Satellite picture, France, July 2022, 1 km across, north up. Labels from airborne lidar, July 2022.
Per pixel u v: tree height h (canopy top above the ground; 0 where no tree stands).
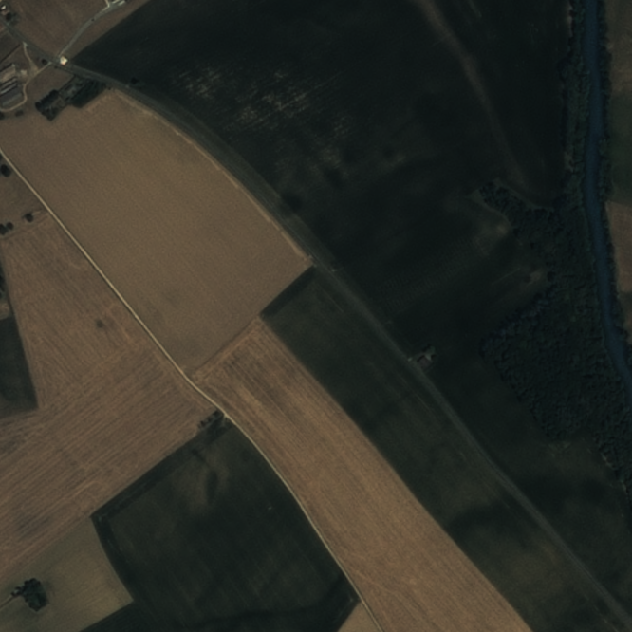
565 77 28
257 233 0
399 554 0
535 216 23
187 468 0
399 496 0
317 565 0
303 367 0
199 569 0
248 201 0
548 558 0
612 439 21
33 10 0
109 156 0
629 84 0
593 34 0
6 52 0
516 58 0
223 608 0
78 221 0
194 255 0
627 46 0
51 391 0
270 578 0
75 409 0
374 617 0
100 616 0
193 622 0
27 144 0
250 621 0
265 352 0
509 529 0
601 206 0
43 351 0
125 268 0
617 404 21
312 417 0
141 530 0
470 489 0
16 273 0
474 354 0
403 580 0
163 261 0
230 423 0
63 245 0
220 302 0
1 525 0
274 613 0
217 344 0
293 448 0
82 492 0
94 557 0
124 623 0
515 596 0
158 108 0
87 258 0
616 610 0
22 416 0
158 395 0
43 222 0
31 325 0
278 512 0
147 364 0
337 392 0
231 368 0
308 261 0
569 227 40
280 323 0
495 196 21
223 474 0
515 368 25
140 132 0
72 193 0
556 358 19
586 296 21
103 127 0
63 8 0
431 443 0
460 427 0
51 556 0
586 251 36
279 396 0
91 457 0
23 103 0
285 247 0
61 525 0
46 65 9
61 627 0
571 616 0
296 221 0
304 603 0
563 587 0
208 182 0
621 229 0
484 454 0
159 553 0
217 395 0
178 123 0
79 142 0
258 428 0
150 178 0
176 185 0
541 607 0
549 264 12
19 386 0
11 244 0
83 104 0
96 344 0
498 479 0
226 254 0
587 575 0
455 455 0
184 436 0
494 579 0
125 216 0
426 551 0
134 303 0
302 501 0
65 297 0
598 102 0
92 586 0
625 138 0
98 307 0
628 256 0
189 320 0
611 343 0
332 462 0
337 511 0
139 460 0
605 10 11
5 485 0
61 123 0
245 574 0
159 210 0
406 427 0
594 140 0
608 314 0
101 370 0
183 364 0
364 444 0
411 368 0
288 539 0
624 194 0
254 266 0
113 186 0
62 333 0
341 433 0
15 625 0
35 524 0
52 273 0
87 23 0
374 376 0
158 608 0
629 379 0
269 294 0
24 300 0
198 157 0
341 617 0
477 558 0
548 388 30
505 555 0
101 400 0
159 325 0
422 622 0
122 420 0
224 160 0
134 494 0
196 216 0
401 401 0
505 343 24
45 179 0
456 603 0
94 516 0
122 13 0
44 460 0
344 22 0
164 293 0
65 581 0
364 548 0
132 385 0
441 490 0
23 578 0
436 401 0
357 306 0
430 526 0
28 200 0
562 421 28
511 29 0
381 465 0
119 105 0
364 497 0
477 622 0
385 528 0
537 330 31
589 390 27
